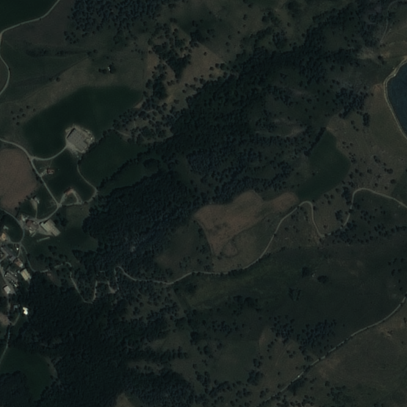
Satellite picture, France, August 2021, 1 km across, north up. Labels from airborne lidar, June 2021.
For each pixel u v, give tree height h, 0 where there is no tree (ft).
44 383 0
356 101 35
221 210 0
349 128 0
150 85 53
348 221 0
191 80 0
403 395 0
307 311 0
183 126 66
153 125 31
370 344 0
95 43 0
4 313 22
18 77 0
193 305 0
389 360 0
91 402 63
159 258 0
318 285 0
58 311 76
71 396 53
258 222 0
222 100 68
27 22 0
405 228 30
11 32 0
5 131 0
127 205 68
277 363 0
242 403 0
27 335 63
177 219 27
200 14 0
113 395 31
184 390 19
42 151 0
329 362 0
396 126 0
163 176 73
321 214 0
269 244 0
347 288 0
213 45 0
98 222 70
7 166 0
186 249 0
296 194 0
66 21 0
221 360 0
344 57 39
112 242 47
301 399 0
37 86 0
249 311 0
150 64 0
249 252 0
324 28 36
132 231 51
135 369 22
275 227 0
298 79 0
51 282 24
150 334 52
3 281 0
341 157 0
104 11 43
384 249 0
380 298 0
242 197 0
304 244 0
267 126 35
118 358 60
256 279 0
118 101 0
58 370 43
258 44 32
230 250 0
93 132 0
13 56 0
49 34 0
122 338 71
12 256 0
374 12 0
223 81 50
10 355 0
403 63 0
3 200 0
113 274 33
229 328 27
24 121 0
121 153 0
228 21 0
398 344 0
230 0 0
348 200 29
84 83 0
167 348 0
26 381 74
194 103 65
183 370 0
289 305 0
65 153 0
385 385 0
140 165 35
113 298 42
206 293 0
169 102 0
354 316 0
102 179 0
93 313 44
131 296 30
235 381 0
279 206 0
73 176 0
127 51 0
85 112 0
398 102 0
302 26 0
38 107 0
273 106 0
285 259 0
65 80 0
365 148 0
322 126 0
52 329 69
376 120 0
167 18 0
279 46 48
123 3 29
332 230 0
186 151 35
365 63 0
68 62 0
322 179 0
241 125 34
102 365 51
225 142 32
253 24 0
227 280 0
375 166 0
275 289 0
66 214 0
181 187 50
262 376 22
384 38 0
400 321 0
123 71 0
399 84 0
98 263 46
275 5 0
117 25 37
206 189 0
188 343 0
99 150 0
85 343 76
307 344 30
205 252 24
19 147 0
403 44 0
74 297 67
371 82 0
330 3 0
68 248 0
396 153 0
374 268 0
